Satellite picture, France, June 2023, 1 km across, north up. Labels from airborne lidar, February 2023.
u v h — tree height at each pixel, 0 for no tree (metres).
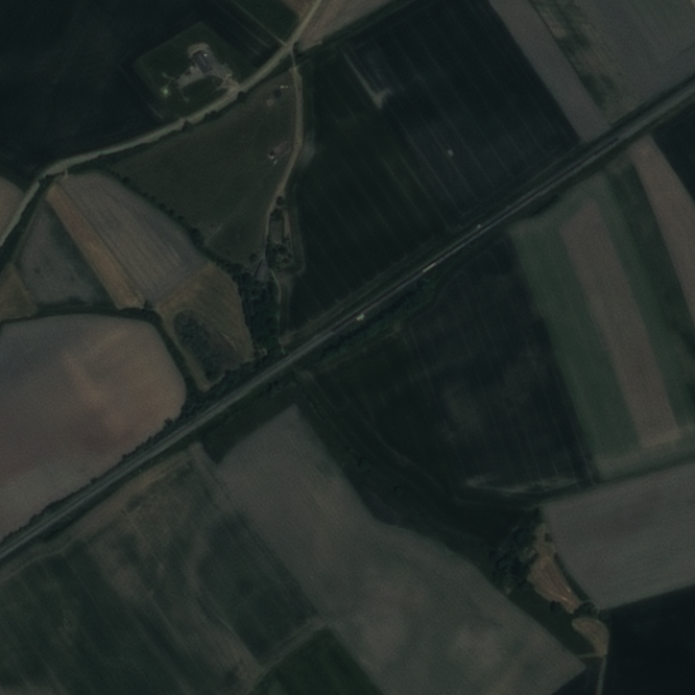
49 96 0
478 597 0
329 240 0
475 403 0
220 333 0
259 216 0
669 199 0
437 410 0
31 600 0
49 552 0
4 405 0
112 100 0
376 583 0
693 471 0
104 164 10
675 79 0
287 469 0
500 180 0
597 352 0
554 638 0
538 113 0
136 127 0
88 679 0
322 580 0
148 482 0
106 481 0
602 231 0
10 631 0
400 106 0
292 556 0
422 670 0
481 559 0
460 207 0
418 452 0
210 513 0
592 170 0
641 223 0
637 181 0
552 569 0
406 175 0
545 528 0
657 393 0
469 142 0
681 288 0
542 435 0
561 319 0
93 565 0
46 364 0
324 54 0
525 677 0
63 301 0
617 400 0
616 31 0
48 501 0
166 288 0
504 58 0
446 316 0
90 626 0
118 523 0
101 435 0
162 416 0
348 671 0
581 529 0
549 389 0
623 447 0
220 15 0
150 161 0
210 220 0
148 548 0
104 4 0
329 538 0
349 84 0
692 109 0
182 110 0
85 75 0
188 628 0
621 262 0
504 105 0
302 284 0
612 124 0
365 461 10
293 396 0
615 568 0
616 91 0
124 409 0
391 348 0
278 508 0
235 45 0
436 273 0
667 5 0
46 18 0
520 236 0
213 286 0
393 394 0
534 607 0
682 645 0
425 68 0
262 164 0
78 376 0
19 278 0
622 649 0
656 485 0
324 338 0
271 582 0
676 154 0
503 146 0
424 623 0
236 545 0
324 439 0
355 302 0
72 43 0
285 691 0
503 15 0
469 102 0
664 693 0
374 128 0
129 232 0
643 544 0
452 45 0
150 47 0
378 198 0
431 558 0
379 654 0
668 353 0
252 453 0
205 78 0
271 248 8
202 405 9
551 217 0
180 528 0
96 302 0
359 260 0
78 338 0
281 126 0
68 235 0
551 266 0
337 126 0
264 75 0
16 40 0
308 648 0
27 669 0
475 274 0
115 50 0
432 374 0
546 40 0
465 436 0
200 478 0
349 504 0
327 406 0
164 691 0
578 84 0
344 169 0
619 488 0
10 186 0
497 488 0
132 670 0
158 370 0
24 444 0
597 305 0
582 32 0
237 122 0
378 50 0
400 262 0
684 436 0
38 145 0
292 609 0
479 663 0
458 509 0
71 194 0
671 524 0
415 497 0
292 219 0
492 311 0
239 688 0
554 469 0
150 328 0
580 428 0
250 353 0
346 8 0
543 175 0
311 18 0
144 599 0
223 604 0
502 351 0
